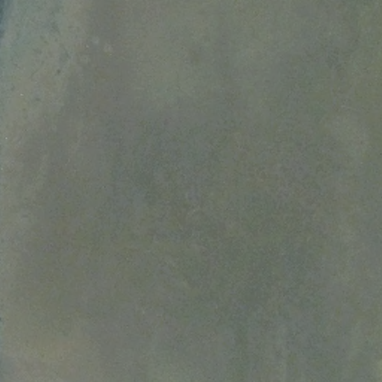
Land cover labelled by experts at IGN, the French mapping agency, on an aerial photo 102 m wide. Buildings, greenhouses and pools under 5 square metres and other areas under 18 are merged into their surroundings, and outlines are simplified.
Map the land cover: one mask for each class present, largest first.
<instances>
[{"label":"water","instance_id":"1","mask_svg":"<svg viewBox=\"0 0 382 382\"><path fill-rule=\"evenodd\" d=\"M0 382H382V0H0Z\"/></svg>","mask_w":382,"mask_h":382}]
</instances>
